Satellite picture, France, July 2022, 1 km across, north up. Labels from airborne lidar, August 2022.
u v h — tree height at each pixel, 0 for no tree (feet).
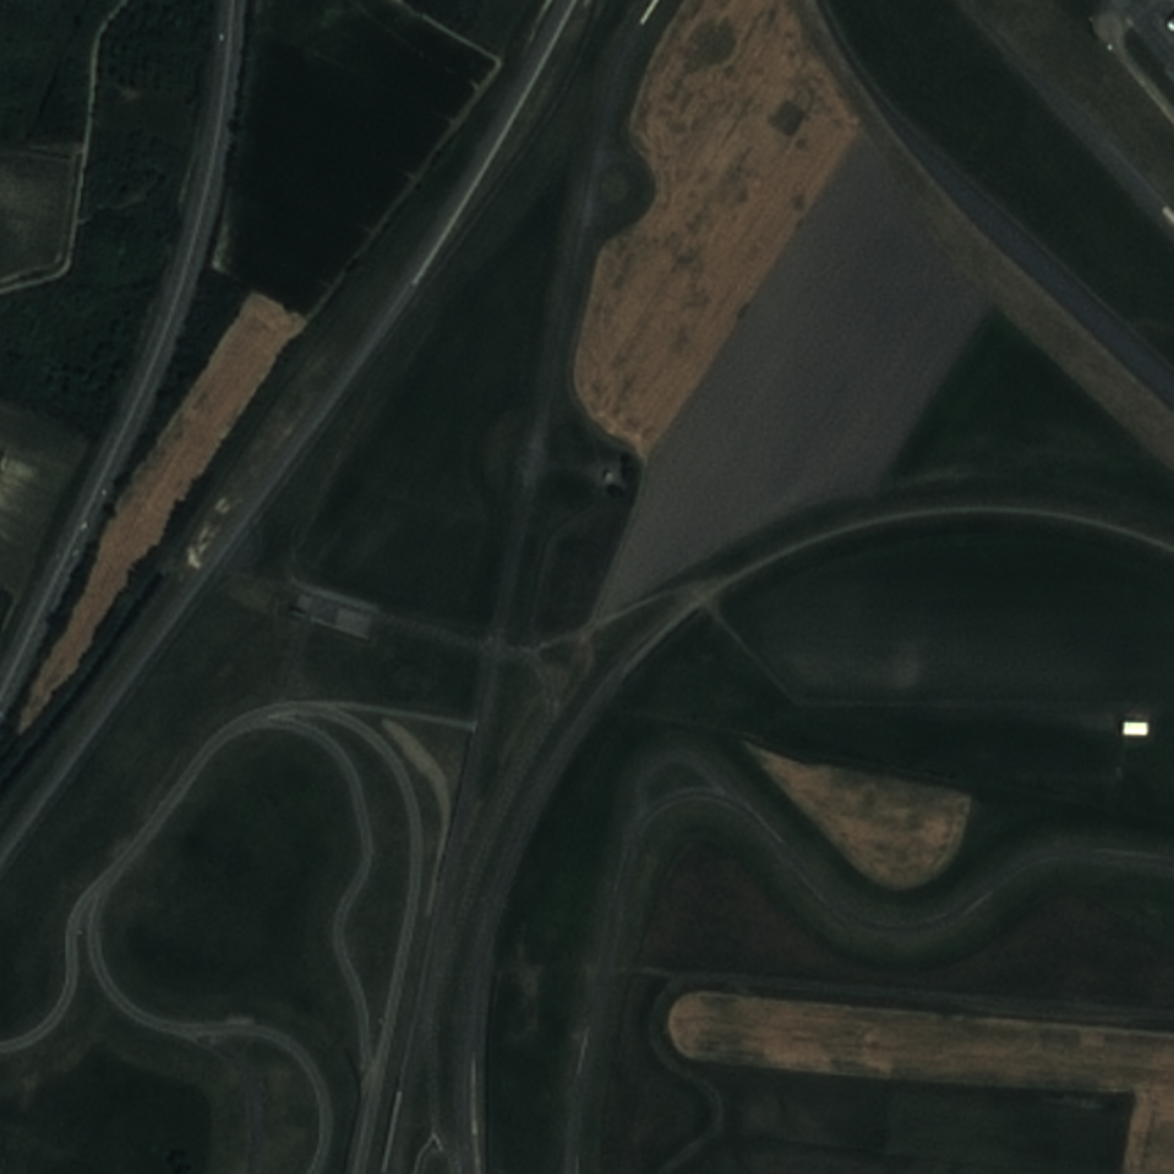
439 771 0
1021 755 0
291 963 0
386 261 0
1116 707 0
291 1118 0
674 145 0
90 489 0
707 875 0
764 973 0
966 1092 0
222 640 0
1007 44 0
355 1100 0
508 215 0
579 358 0
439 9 20
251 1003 0
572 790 0
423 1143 0
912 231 0
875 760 0
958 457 0
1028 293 0
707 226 0
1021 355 0
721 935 0
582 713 0
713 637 0
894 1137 0
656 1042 0
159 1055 0
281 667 0
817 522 0
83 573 43
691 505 0
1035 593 0
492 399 0
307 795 0
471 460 0
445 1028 0
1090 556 0
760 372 0
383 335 0
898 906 0
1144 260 0
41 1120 0
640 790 0
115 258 18
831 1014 0
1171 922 0
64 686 20
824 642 0
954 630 0
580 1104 0
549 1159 0
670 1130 0
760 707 0
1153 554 0
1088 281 0
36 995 0
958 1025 0
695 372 0
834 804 0
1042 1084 0
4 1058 0
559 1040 0
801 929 0
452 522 0
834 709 0
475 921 0
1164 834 0
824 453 0
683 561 0
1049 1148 0
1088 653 0
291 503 0
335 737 0
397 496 0
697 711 0
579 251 0
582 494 0
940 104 0
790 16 0
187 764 0
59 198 0
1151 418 0
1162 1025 0
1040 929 0
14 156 0
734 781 0
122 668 0
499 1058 0
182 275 0
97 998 0
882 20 0
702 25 0
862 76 0
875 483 0
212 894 0
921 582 0
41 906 0
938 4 0
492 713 0
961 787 0
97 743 0
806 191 0
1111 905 0
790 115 0
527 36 0
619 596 0
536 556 0
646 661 0
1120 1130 0
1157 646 0
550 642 0
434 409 0
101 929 0
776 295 0
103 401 43
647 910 0
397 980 0
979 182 0
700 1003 0
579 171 0
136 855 0
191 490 19
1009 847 0
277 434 0
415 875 0
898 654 0
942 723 0
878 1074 0
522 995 0
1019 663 0
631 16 0
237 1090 0
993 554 0
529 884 0
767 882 0
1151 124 0
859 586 0
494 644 0
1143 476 0
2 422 0
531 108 0
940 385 0
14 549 0
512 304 0
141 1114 0
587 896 0
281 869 0
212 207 0
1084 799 0
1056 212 0
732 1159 0
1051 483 0
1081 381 0
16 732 32
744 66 0
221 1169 0
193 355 21
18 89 31
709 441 0
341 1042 0
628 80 0
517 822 0
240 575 0
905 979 0
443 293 0
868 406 0
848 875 0
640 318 0
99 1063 0
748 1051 0
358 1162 0
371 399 0
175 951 0
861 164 0
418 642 0
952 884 0
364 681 0
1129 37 0
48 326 19
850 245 0
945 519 0
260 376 0
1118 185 0
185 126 0
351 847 0
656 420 0
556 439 0
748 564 0
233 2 0
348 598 0
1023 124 0
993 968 0
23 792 0
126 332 35
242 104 32
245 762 0
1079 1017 0
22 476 0
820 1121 0
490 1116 0
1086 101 0
